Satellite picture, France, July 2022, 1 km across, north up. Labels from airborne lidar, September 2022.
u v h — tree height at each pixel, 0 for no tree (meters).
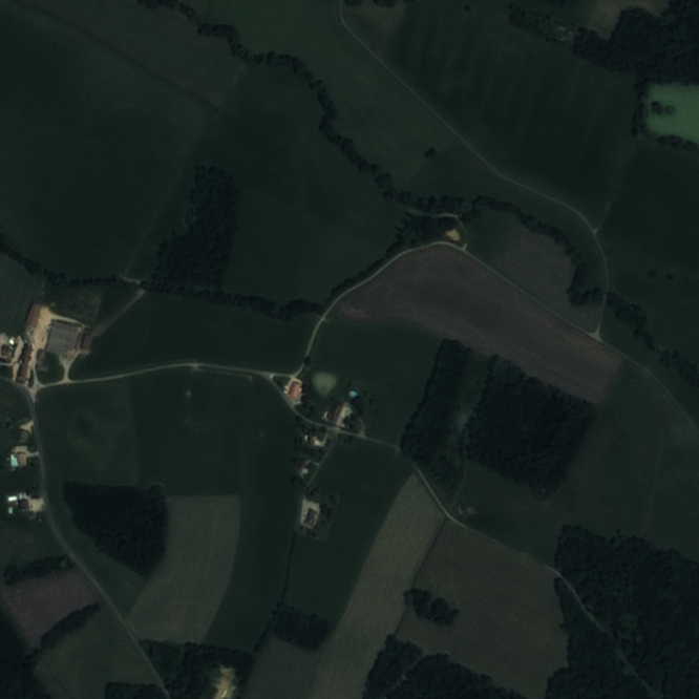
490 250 0
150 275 0
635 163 0
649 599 22
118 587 0
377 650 0
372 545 0
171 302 0
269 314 13
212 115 0
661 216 0
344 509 0
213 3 0
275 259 0
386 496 0
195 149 0
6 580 7
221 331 0
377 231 0
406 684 16
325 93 10
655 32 14
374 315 0
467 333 0
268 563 0
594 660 17
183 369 0
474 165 0
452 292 0
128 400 0
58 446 0
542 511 0
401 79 0
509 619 0
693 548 0
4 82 0
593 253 0
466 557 0
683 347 0
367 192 0
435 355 0
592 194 0
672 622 24
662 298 0
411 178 0
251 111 0
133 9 0
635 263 0
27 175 0
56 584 0
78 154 0
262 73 0
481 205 14
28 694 27
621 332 0
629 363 0
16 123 0
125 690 15
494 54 0
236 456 0
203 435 0
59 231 0
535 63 0
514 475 15
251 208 0
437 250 0
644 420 0
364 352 0
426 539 0
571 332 0
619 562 20
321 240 0
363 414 7
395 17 0
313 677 0
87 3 0
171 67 0
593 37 17
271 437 0
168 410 0
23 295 0
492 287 0
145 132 0
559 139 0
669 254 0
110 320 0
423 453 17
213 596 0
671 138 6
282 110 0
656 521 0
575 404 20
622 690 26
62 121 0
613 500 0
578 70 0
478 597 0
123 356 0
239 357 0
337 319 0
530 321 0
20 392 0
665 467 0
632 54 20
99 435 0
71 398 0
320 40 0
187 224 0
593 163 0
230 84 0
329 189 0
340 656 0
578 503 0
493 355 0
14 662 15
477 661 0
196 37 0
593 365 0
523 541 0
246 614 0
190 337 0
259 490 0
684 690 21
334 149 0
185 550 0
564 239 16
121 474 0
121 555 19
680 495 0
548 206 0
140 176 0
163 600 0
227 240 13
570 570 12
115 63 0
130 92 0
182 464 0
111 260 0
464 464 0
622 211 0
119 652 0
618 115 0
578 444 25
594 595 19
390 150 0
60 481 0
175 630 0
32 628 0
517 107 0
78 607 0
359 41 0
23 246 0
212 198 8
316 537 7
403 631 0
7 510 0
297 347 0
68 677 0
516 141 0
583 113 0
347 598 0
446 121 0
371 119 0
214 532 0
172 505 0
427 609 21
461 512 0
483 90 0
